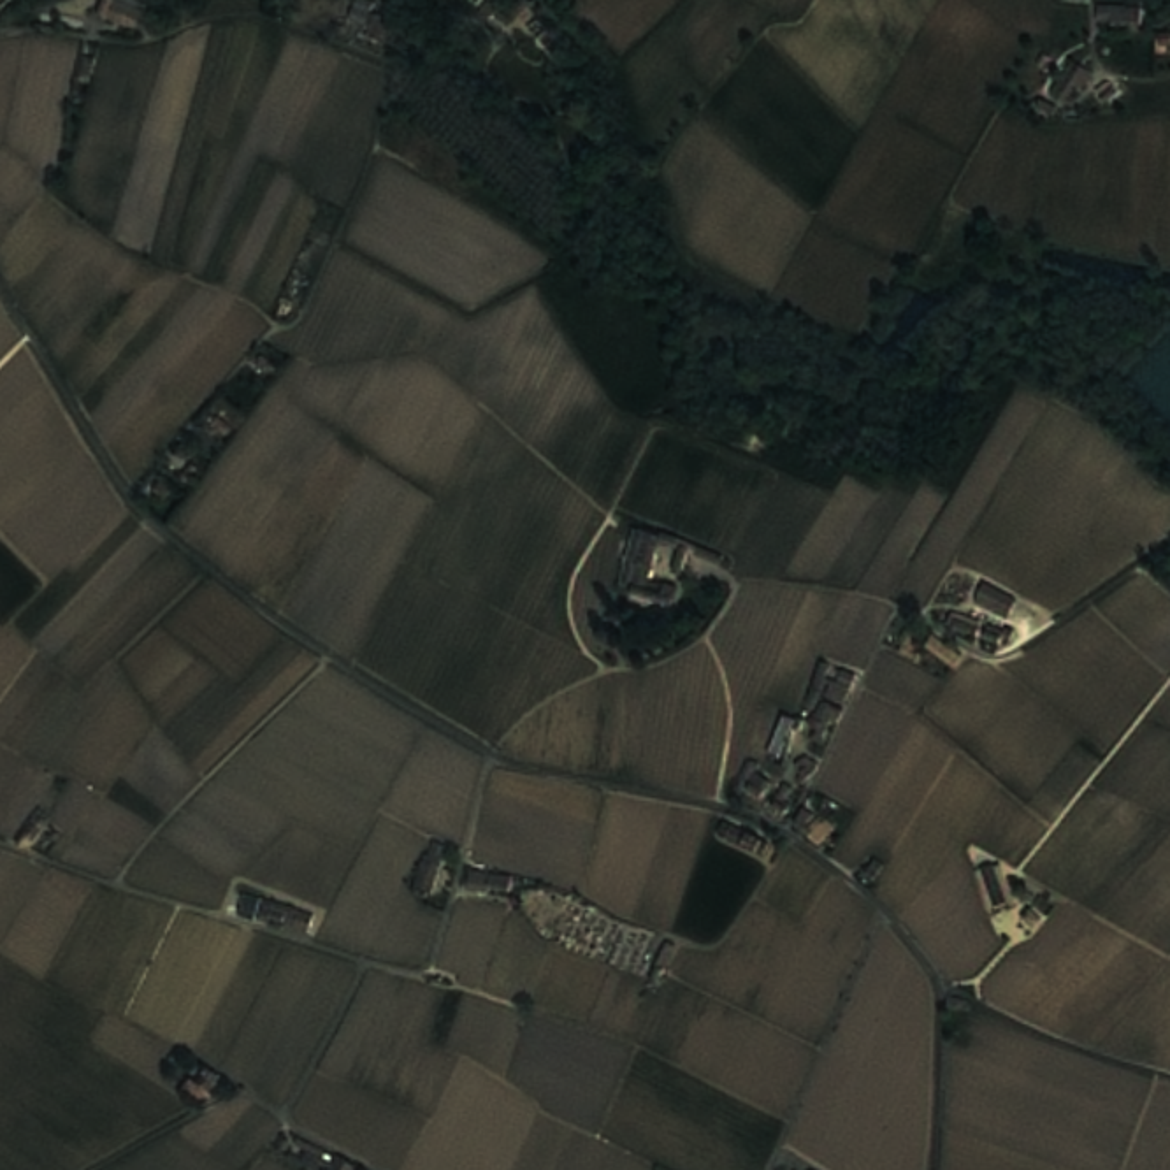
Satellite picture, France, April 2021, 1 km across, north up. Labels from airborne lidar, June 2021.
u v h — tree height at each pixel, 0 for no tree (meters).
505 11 8
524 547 0
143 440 0
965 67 0
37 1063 0
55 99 0
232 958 0
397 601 0
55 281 0
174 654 0
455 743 0
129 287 0
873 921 0
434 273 0
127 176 0
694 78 0
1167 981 0
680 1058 0
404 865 0
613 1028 0
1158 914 0
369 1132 0
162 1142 0
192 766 0
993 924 0
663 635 21
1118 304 29
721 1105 0
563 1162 0
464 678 0
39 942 0
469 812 0
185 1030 0
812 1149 0
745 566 0
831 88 0
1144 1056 0
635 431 0
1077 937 0
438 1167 0
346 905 0
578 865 0
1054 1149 0
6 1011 0
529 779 0
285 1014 0
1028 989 0
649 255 15
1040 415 0
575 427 0
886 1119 0
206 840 0
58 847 0
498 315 0
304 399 0
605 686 0
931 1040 0
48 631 0
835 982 0
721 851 0
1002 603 0
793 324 17
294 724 0
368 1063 0
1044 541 0
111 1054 0
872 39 0
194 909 0
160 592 0
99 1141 0
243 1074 0
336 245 0
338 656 0
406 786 0
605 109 20
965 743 0
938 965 0
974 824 0
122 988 0
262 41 0
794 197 0
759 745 0
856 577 0
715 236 0
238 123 0
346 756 0
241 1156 0
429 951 0
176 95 0
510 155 28
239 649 0
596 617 0
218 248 0
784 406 17
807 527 0
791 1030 0
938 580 0
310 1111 0
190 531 0
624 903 0
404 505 0
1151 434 20
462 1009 0
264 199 0
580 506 0
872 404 17
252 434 0
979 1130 0
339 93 0
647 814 0
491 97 23
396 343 0
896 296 18
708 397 15
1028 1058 0
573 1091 0
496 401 0
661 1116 0
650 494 0
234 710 0
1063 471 0
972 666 0
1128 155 0
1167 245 0
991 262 18
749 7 0
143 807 0
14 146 0
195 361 0
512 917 0
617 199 17
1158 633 0
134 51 0
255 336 0
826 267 0
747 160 0
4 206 0
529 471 0
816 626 0
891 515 0
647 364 0
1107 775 0
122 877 0
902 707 0
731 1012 0
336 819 0
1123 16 0
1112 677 0
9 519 0
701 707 0
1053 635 0
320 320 0
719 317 17
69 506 0
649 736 0
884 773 0
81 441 0
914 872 0
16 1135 0
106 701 0
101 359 0
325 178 0
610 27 0
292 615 0
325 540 0
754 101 0
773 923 0
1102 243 0
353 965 0
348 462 0
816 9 0
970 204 0
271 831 0
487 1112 0
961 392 17
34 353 0
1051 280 23
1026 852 0
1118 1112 0
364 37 8
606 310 0
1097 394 20
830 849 6
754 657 0
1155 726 0
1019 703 0
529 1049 0
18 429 0
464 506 0
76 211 0
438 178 0
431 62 19
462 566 0
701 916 0
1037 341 24
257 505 0
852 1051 0
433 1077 0
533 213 17
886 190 0
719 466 0
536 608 0
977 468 0
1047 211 0
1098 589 0
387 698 0
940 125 0
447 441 0
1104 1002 0
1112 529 0
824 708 0
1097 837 0
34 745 0
